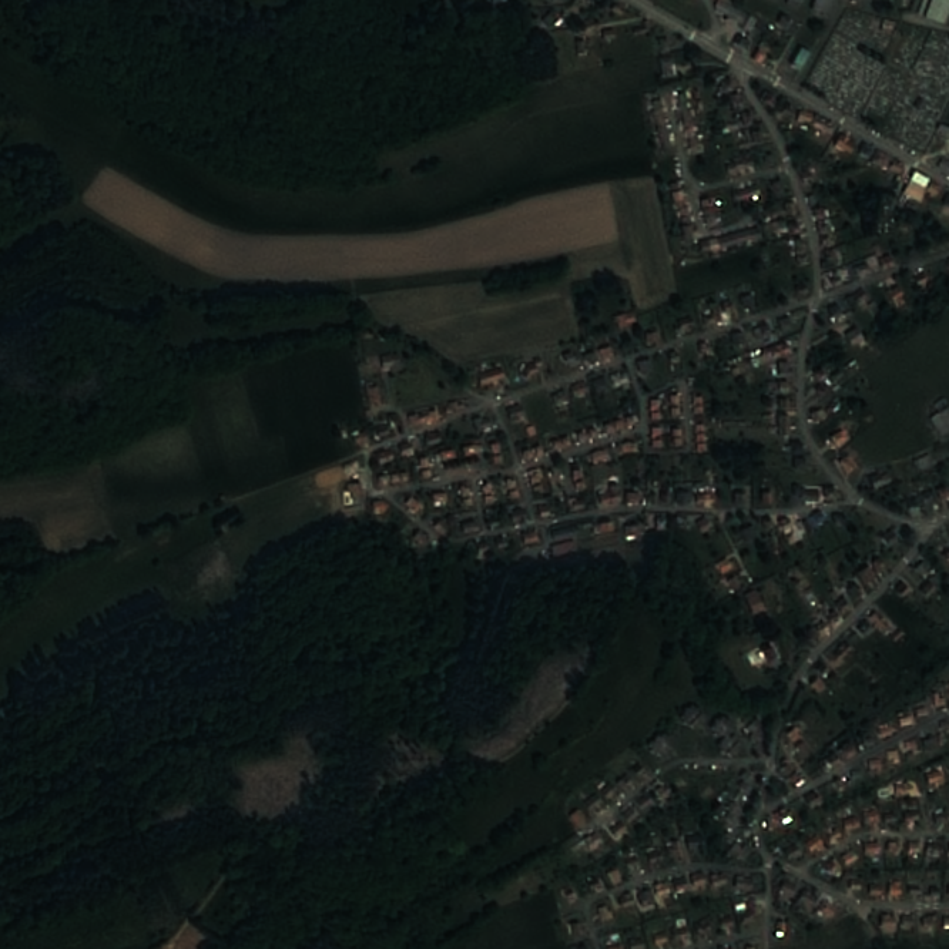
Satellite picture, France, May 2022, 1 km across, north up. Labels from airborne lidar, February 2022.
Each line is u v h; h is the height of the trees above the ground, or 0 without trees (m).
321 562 24
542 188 0
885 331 25
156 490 0
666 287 0
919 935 0
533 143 0
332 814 29
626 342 17
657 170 0
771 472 0
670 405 0
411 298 0
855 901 0
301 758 0
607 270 0
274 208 0
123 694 34
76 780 23
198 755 25
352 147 28
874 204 22
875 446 0
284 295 23
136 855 18
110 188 0
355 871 34
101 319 25
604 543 0
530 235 0
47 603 0
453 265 0
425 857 29
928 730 0
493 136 0
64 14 28
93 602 0
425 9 16
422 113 28
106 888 20
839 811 0
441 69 28
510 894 0
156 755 28
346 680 25
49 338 23
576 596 25
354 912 30
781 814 0
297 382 0
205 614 0
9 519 0
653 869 0
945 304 0
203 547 0
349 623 25
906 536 17
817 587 0
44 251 26
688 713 0
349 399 0
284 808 0
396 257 0
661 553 16
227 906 0
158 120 32
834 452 0
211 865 0
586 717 0
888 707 0
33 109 0
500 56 25
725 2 0
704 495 0
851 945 0
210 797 15
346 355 0
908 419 0
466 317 0
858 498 0
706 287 0
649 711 0
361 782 27
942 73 0
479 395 0
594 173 0
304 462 0
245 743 25
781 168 0
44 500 0
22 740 23
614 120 0
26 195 27
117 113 28
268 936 34
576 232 0
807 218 0
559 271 13
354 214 0
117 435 22
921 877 0
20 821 29
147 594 0
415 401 0
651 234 0
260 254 0
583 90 0
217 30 19
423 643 25
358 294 0
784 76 0
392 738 0
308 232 0
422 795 32
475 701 29
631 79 0
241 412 0
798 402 0
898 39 0
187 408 16
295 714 27
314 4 18
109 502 0
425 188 0
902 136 0
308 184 15
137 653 34
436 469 0
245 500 0
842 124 0
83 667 36
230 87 26
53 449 22
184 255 0
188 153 26
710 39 0
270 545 0
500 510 10
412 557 12
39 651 0
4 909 17
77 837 18
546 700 0
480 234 0
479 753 0
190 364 13
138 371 22
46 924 16
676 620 22
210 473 0
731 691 21
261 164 26
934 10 0
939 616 0
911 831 0
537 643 29
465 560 9
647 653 0
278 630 27
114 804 17
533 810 8
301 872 25
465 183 0
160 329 7
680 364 0
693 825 0
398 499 0
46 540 0
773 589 0
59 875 21
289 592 29
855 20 0
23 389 14
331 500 0
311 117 26
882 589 0
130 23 23
